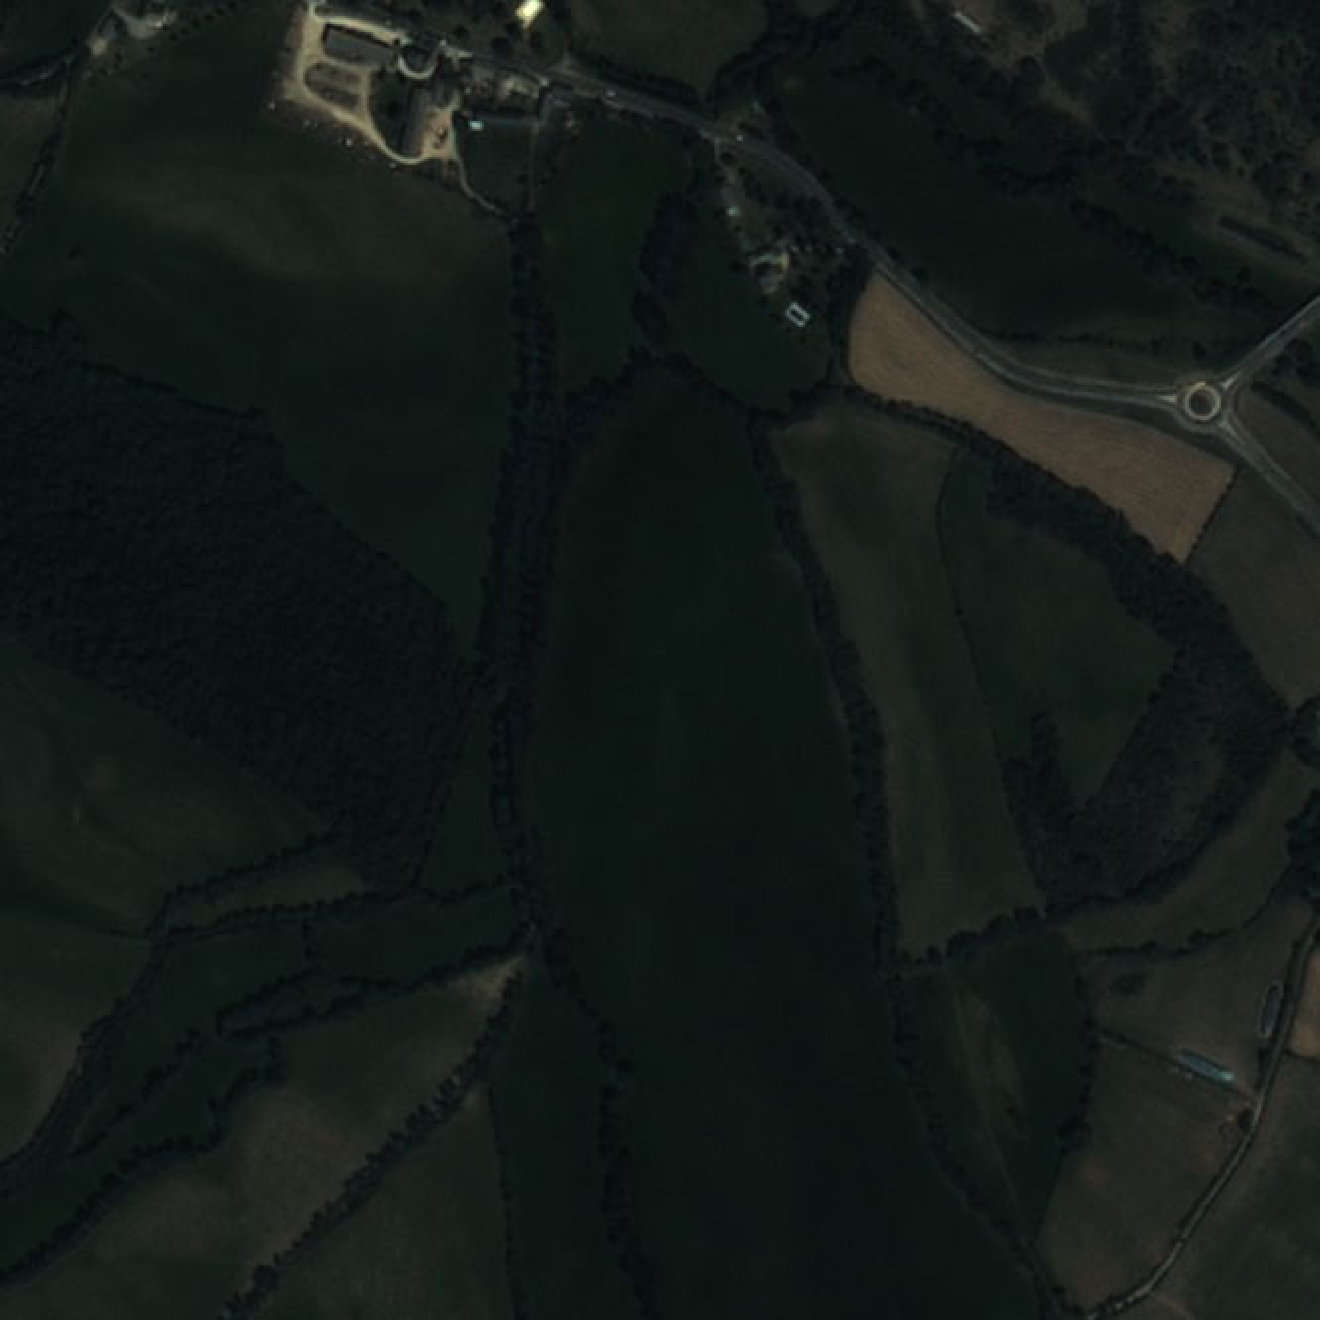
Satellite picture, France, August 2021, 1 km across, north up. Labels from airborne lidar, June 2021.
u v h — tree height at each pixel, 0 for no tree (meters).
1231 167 9
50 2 0
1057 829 7
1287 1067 0
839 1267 0
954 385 0
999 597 0
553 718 0
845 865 0
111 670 19
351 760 20
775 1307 0
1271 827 0
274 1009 12
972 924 0
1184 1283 0
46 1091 0
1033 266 0
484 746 0
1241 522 0
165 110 0
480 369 0
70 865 0
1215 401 0
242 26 0
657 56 0
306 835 0
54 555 19
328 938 0
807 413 19
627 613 0
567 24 13
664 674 0
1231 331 0
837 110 0
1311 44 7
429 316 0
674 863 0
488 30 0
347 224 0
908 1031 8
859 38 0
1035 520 7
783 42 15
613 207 0
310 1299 0
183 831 0
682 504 0
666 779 0
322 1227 10
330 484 0
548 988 0
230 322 0
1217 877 0
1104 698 0
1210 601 11
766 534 0
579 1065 0
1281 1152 0
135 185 0
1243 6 10
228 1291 0
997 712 0
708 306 0
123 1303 0
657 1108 0
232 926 9
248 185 0
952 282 0
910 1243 0
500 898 0
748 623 0
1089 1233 0
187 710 17
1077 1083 0
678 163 0
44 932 0
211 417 10
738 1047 0
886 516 0
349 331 0
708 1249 0
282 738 21
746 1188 0
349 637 20
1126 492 0
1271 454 0
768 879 0
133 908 0
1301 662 0
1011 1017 0
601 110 10
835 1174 0
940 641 0
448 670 15
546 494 33
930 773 0
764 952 0
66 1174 0
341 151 0
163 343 0
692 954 0
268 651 23
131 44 0
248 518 17
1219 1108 0
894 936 13
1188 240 0
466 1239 0
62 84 7
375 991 17
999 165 12
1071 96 0
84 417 16
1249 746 8
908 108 14
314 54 0
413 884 8
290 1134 0
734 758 0
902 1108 0
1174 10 0
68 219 0
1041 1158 0
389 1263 0
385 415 0
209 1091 0
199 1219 0
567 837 0
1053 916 11
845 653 15
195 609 19
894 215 0
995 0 0
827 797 0
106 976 0
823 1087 0
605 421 33
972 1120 0
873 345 0
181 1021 0
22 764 0
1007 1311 0
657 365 26
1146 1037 0
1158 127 13
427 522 0
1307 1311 0
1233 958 0
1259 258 0
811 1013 0
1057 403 0
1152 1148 0
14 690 0
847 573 0
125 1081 0
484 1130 0
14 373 14
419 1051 0
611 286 0
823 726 0
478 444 0
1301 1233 0
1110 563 8
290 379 0
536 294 12
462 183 0
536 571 32
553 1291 0
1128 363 0
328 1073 0
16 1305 0
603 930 0
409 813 14
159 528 16
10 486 20
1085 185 23
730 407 13
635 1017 0
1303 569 0
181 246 0
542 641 31
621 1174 15
